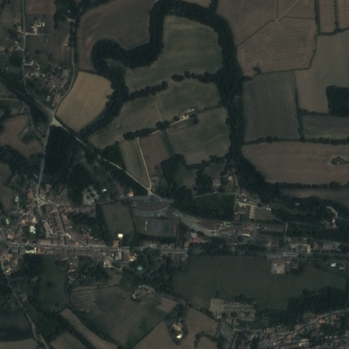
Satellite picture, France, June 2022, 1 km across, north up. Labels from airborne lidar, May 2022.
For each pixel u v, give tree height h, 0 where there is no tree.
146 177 0
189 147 0
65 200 0
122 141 0
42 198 0
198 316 0
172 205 13
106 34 0
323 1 0
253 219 10
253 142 11
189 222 0
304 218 20
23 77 6
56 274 0
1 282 18
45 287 0
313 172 0
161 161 0
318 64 0
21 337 0
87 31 0
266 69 0
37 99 0
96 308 0
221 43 17
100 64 14
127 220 0
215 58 0
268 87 0
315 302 14
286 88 0
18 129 0
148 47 29
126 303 0
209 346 0
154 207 0
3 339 0
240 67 0
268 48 0
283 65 0
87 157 14
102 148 0
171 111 0
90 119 0
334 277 0
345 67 0
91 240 0
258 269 0
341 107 7
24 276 16
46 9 0
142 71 0
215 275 0
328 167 0
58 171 27
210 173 0
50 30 0
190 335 0
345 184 0
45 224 0
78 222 14
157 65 0
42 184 11
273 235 8
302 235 19
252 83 0
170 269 13
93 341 0
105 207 0
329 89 12
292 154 0
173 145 0
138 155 0
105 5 0
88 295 0
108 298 0
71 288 12
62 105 0
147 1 0
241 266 0
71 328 15
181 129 0
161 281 6
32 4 0
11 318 0
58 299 0
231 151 13
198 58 0
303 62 0
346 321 13
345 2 0
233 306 0
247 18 0
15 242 0
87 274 14
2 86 0
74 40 15
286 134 0
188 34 0
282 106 0
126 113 0
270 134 0
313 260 7
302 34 0
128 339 0
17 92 14
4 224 18
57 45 0
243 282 0
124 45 0
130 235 6
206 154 0
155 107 0
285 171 0
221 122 0
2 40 0
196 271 0
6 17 0
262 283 0
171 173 20
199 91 0
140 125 0
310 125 0
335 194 0
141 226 0
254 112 0
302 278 0
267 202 10
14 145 0
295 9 0
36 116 6
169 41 0
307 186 11
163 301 0
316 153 0
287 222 15
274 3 0
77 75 0
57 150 7
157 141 0
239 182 13
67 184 17
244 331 6
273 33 0
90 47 0
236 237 0
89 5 14
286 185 14
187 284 0
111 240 14
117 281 0
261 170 0
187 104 0
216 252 15
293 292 0
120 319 0
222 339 10
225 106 14
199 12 32
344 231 17
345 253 13
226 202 6
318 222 21
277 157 0
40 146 0
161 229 0
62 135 13
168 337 0
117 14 0
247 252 13
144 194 10
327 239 14
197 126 0
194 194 6
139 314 0
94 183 6
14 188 12
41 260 28
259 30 0
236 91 14
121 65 0
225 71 23
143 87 0
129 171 0
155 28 17
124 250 0
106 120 16
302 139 14
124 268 9
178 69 0
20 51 0
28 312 11
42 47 0
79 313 11
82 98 0
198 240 0
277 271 0
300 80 0
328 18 0
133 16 0
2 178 0
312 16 0
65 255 0
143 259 26
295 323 6
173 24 0
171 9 17
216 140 0
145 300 0
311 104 0
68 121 0
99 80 0
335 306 15
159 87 16
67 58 0
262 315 16
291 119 0
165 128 19
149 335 0
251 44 0
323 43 0
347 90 15
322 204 22
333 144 12
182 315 12
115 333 0
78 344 0
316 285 0
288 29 0
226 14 0
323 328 6
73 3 15
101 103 0
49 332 0
